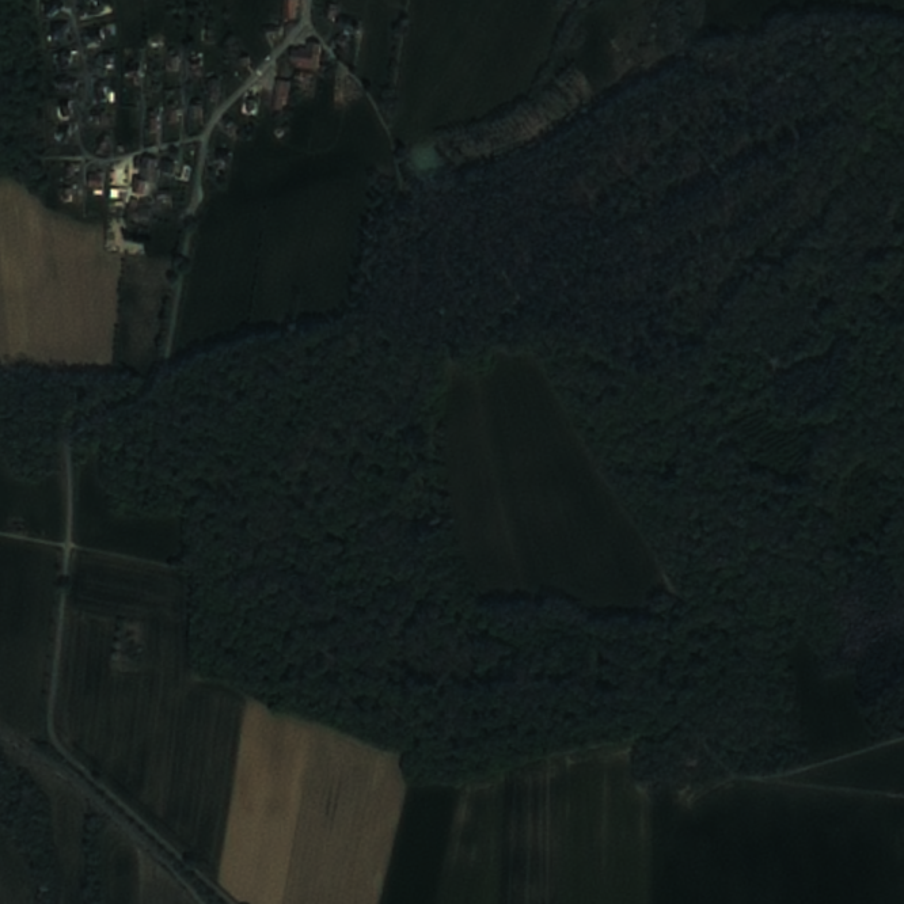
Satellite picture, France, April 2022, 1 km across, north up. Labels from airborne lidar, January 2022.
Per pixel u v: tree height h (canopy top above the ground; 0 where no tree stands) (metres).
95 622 0
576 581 0
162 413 23
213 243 0
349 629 26
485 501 0
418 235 26
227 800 0
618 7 0
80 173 0
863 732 0
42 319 0
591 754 0
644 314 29
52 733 0
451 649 27
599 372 24
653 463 16
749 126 25
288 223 0
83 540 0
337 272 0
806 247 26
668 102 27
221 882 0
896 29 22
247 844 0
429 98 0
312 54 0
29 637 0
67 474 0
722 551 28
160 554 0
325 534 24
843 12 20
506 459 0
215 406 23
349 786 0
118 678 0
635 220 23
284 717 0
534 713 24
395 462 23
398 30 13
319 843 0
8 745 0
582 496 0
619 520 0
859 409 25
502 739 22
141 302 0
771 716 25
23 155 19
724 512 26
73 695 0
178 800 0
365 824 0
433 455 17
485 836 0
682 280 20
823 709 0
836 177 22
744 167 20
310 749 0
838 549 22
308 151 0
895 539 19
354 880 0
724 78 26
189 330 0
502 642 24
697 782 8
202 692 0
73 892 0
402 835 0
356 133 0
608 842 0
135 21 0
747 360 22
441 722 22
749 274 21
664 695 21
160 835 0
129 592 0
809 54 29
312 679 20
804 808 0
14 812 17
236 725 0
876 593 21
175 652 0
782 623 19
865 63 21
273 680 21
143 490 16
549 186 25
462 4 0
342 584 25
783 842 0
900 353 23
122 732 0
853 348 18
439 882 0
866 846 0
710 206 27
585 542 0
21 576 0
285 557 22
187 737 0
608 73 0
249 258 0
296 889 0
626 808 0
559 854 0
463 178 17
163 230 0
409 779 10
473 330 23
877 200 28
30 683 0
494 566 0
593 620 20
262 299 0
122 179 0
